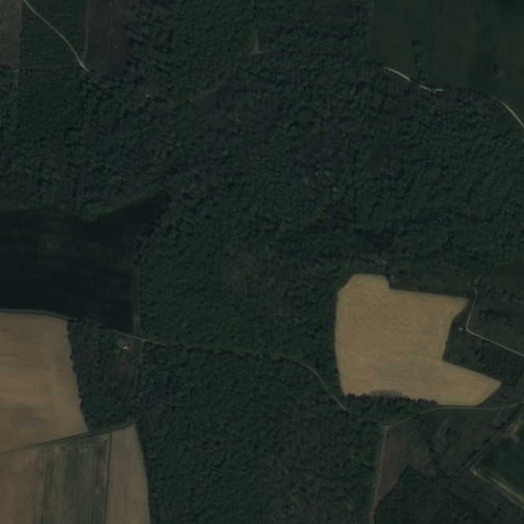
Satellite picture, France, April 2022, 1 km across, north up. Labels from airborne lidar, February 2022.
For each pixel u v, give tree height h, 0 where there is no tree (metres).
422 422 10
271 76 20
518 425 0
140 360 0
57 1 11
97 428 15
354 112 10
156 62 27
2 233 0
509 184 17
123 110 24
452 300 0
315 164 21
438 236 31
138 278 0
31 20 12
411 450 0
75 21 13
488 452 0
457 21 0
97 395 26
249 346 21
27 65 11
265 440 24
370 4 18
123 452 0
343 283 16
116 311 0
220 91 0
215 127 0
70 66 10
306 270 18
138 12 14
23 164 22
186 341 20
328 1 24
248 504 24
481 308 0
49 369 0
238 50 20
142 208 0
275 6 23
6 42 0
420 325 0
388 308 0
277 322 28
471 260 26
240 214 23
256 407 27
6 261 0
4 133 10
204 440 23
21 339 0
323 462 25
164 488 28
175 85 24
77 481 0
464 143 16
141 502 0
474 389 0
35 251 0
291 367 25
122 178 16
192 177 25
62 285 0
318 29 25
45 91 12
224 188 23
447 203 24
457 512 20
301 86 18
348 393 0
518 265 0
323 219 29
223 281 20
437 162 17
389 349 0
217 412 24
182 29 25
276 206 21
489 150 21
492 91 0
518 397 0
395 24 0
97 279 0
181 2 23
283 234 20
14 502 0
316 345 28
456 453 0
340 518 26
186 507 28
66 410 0
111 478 0
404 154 26
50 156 22
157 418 29
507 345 0
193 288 17
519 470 0
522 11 0
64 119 6
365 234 19
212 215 23
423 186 29
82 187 28
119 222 0
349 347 0
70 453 0
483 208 24
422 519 19
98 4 0
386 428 0
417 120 22
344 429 25
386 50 0
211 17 25
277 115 23
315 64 22
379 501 0
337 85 8
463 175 19
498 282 0
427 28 0
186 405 19
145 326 15
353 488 28
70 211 11
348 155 20
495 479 0
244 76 21
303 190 28
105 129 24
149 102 25
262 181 17
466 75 0
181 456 27
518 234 29
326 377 23
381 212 26
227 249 26
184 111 19
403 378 0
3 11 0
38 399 0
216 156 24
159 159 26
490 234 28
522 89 0
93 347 20
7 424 0
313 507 26
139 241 0
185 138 23
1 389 0
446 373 0
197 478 24
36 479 0
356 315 0
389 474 0
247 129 21
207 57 21
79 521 0
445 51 0
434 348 0
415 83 16
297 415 25
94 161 17
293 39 24
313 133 23
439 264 24
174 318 20
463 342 0
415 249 26
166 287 20
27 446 0
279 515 29
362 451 31
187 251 20
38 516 0
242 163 20
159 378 22
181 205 23
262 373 21
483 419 0
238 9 22
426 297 0
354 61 22
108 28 0
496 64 0
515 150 15
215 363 23
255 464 23
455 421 0
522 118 0
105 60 0
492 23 0
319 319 25
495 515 17
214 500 20
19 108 19
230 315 20
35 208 0
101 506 0
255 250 28
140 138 19
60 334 0
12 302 0
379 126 23
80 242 0
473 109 21
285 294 26
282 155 16
